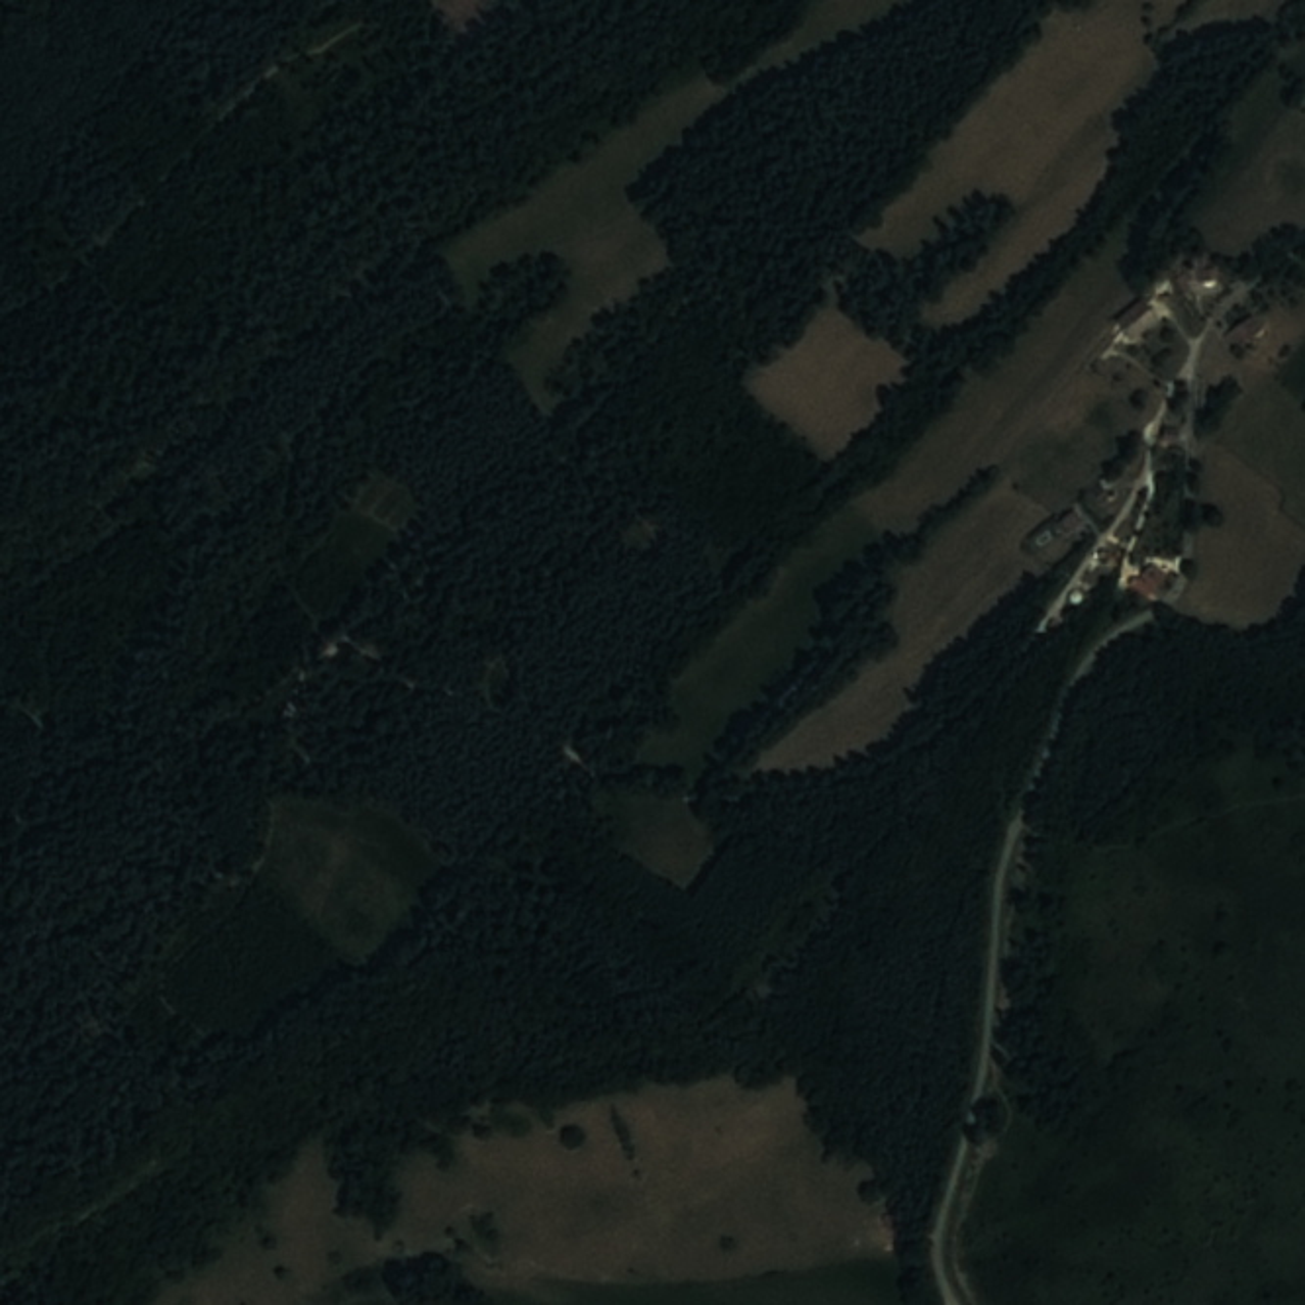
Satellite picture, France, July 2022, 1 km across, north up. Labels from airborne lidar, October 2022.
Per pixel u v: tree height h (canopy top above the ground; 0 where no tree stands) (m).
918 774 21
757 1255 0
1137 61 0
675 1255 0
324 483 18
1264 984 0
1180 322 0
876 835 20
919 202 0
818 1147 0
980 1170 0
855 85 24
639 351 14
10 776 19
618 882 12
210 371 21
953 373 7
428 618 13
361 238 19
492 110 10
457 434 29
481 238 0
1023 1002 13
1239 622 0
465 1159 0
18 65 15
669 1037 16
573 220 0
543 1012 19
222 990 8
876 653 25
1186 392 12
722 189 25
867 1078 22
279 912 7
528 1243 0
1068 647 16
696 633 16
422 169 7
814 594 0
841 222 22
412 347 10
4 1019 25
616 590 21
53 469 18
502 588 19
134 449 17
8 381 16
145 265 8
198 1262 10
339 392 27
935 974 20
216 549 22
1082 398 0
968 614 0
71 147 11
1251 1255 0
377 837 0
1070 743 16
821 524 9
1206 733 21
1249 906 0
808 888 14
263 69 25
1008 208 24
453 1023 21
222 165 8
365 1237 0
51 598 12
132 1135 16
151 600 6
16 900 22
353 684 22
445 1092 29
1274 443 0
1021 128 0
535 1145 0
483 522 27
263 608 7
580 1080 26
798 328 22
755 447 9
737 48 22
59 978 22
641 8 15
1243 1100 0
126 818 28
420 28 10
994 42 19
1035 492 0
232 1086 20
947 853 17
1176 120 12
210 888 22
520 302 16
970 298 0
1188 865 0
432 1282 28
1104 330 0
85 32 13
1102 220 14
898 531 0
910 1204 25
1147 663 16
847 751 0
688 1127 0
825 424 0
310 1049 15
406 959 27
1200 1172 0
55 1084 30
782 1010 21
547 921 24
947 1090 22
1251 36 20
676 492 6
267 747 24
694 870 0
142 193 6
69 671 14
